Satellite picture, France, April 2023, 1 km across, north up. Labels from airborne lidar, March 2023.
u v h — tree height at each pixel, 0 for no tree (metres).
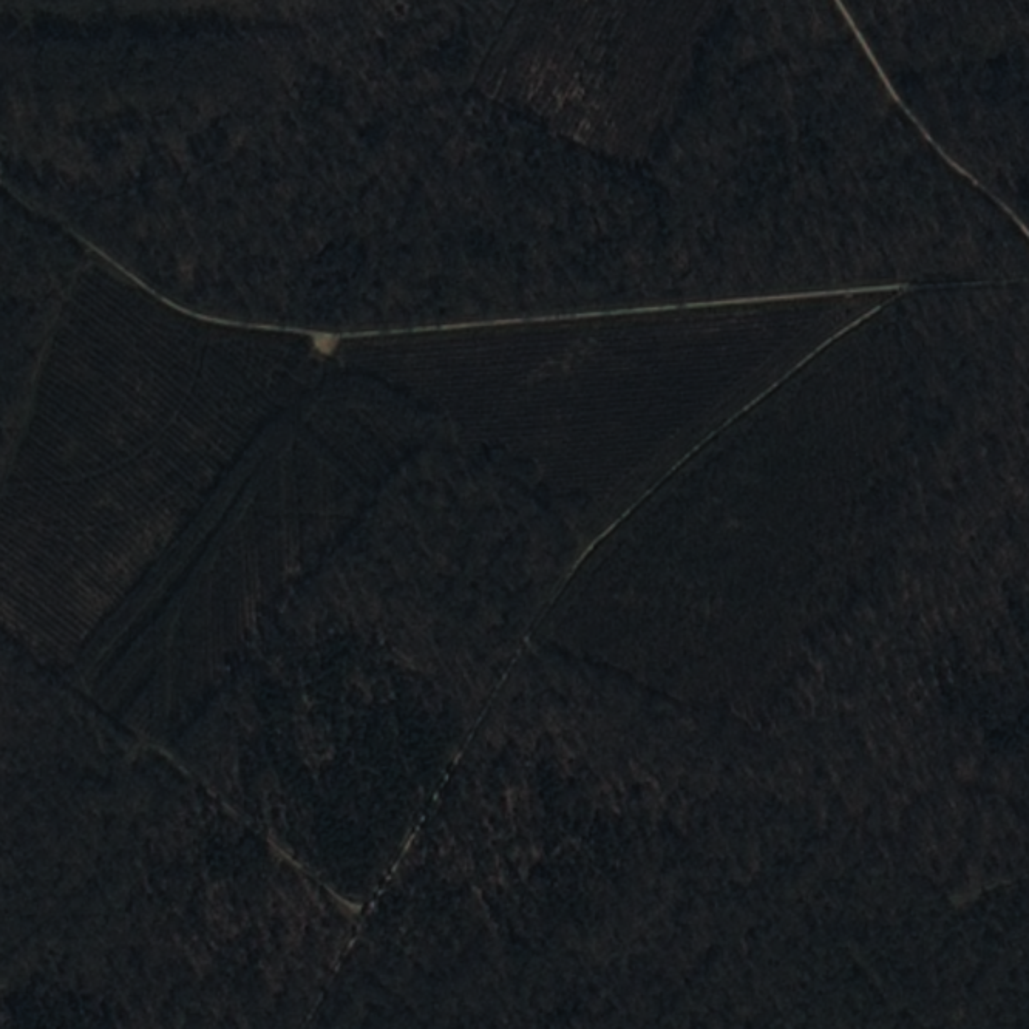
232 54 27
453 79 20
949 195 23
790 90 29
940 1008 30
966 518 29
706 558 8
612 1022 18
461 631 23
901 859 20
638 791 22
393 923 20
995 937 17
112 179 28
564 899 26
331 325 7
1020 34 30
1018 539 25
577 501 10
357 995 20
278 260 23
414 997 22
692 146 28
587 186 20
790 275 21
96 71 24
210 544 10
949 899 16
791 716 23
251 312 28
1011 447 22
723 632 10
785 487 7
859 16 27
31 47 28
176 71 26
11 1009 19
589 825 19
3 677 24
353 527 7
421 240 29
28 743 21
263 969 19
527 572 21
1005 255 26
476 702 22
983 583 23
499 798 24
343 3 26
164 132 28
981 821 27
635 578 10
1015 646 22
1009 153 30
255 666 22
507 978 22
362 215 25
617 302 24
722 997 22
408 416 16
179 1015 18
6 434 24
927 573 26
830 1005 23
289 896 23
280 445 17
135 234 28
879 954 22
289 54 27
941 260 21
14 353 26
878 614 25
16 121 26
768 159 26
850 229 23
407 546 23
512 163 13
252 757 24
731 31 25
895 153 24
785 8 27
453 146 28
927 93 33
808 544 6
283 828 19
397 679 17
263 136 25
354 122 24
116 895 21
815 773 23
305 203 14
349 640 19
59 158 0
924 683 23
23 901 23
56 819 27
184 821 24
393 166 28
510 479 14
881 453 6
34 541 0
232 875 19
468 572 28
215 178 23
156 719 13
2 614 0
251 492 13
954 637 18
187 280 25
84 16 0
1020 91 35
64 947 18
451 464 26
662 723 26
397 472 29
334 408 14
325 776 19
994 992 24
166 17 0
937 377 22
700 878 24
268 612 7
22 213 24
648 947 17
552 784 22
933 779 26
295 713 18
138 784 24
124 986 23
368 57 18
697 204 14
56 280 25
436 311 26
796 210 25
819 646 25
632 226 12
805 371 8
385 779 19
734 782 22
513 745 18
